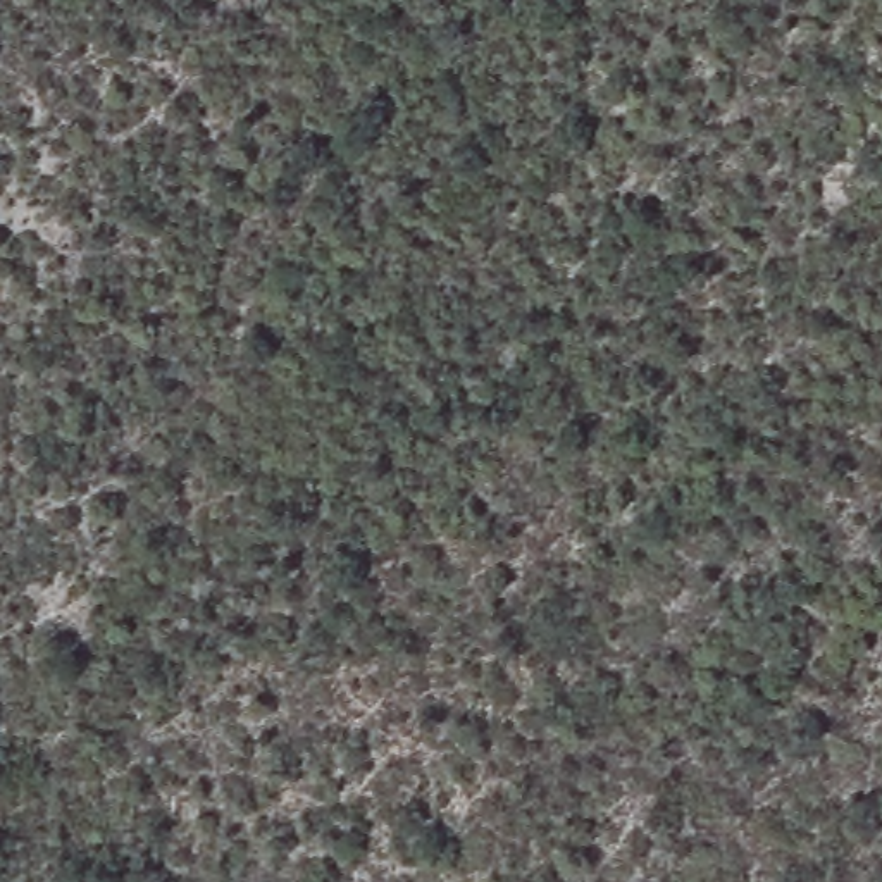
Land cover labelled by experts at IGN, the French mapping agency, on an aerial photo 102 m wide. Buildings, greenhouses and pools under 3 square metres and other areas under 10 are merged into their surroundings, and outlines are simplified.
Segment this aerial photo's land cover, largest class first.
<instances>
[{"label":"brushwood","instance_id":"1","mask_svg":"<svg viewBox=\"0 0 882 882\"><path fill-rule=\"evenodd\" d=\"M834 162H851L854 172L841 186L848 203L827 210L823 176ZM0 203L41 207L72 231L69 241L48 245L34 231H10L7 224H0V882H882V0H0ZM55 575L65 579L69 599L90 596L93 603V630L86 641L62 624L34 627L38 606L28 596V586H52Z\"/></svg>","mask_w":882,"mask_h":882},{"label":"bare soil","instance_id":"2","mask_svg":"<svg viewBox=\"0 0 882 882\"><path fill-rule=\"evenodd\" d=\"M854 172L851 162H834L823 176L827 210L848 203L841 186ZM0 224H7L10 231H34L48 245L69 241L72 231L41 207L0 203ZM65 579L55 575L52 586H28V596L38 606L34 627L62 624L86 641L93 630V603L90 596L69 599Z\"/></svg>","mask_w":882,"mask_h":882}]
</instances>
